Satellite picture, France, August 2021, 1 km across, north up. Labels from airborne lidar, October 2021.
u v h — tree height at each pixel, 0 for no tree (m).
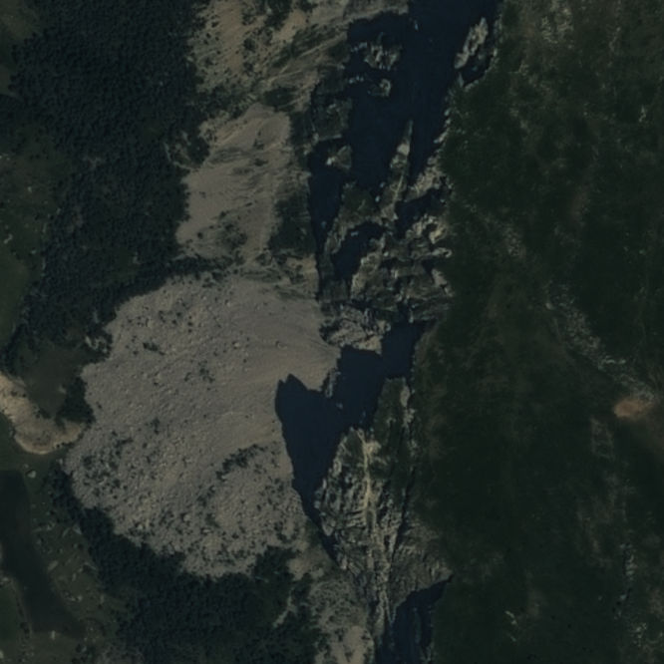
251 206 0
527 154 0
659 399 0
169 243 6
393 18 0
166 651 14
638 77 0
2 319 0
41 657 0
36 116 8
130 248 8
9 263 0
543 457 0
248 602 14
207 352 0
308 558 0
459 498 0
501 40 0
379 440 0
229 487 0
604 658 0
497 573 0
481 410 0
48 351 0
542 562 0
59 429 0
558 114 0
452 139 0
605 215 0
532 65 0
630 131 0
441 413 0
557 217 0
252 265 0
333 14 0
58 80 14
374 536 0
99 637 0
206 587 8
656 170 0
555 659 0
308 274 0
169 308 0
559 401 0
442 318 0
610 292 0
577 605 0
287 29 0
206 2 6
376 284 0
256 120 0
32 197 0
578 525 0
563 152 0
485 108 0
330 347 0
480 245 0
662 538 0
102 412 0
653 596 0
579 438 0
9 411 0
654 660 0
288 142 0
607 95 0
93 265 10
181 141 6
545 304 0
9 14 0
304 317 0
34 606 0
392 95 0
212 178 0
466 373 0
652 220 0
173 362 0
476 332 0
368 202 0
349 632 0
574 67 0
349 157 0
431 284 0
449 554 0
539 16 0
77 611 0
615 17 0
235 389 0
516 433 0
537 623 0
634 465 0
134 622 11
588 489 0
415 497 0
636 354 0
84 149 20
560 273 0
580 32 0
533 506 0
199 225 0
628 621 0
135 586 12
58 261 8
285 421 0
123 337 0
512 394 0
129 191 11
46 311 8
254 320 0
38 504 0
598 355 0
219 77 0
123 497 0
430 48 0
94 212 18
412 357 0
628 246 0
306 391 0
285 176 0
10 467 0
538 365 0
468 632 0
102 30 12
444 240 0
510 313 0
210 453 0
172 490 0
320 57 0
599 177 0
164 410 0
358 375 0
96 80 10
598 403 0
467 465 0
